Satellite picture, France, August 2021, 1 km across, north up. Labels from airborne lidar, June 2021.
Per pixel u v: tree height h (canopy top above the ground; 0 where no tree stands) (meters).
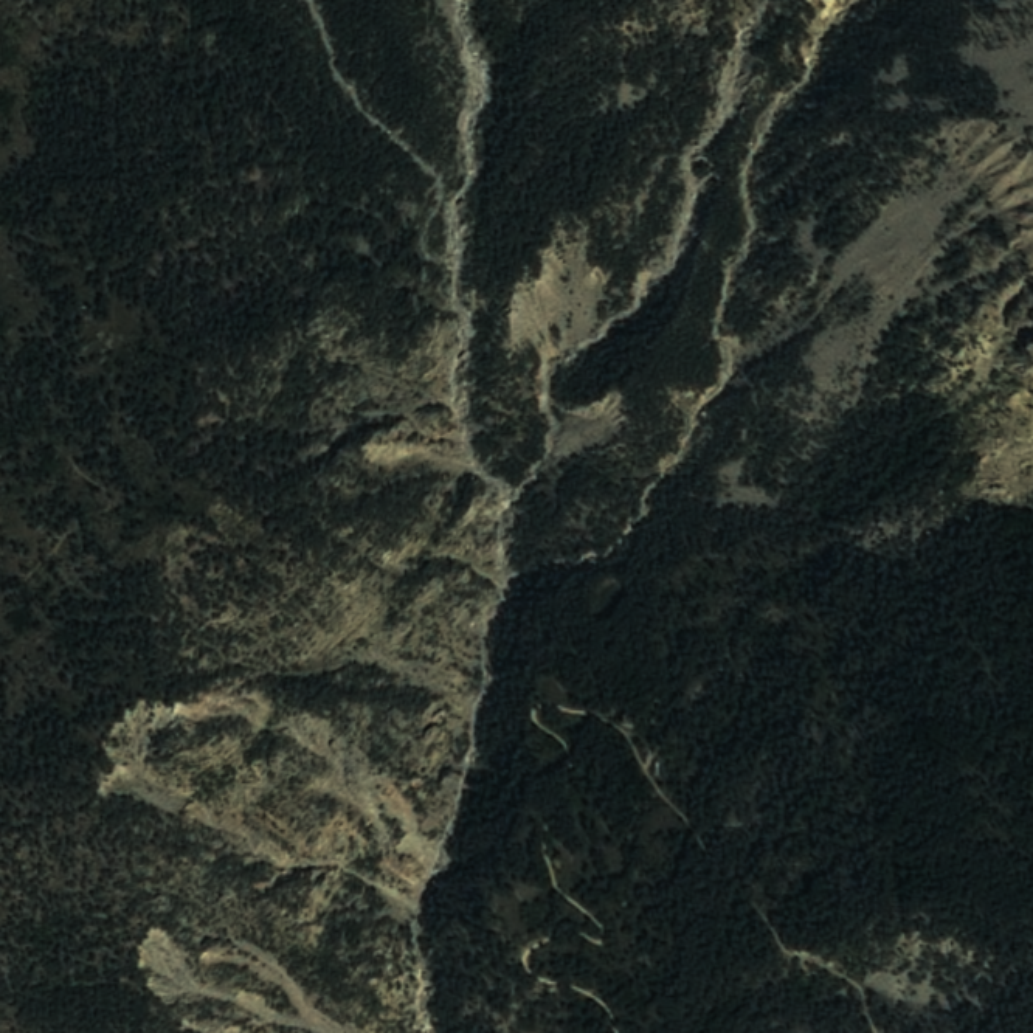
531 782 17
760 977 10
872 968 10
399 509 8
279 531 11
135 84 13
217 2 8
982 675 9
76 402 15
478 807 13
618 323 7
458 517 7
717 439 7
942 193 0
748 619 16
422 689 8
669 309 7
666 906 16
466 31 0
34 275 7
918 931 8
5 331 8
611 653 16
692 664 14
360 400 10
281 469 17
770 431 8
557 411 7
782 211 9
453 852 13
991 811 14
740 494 0
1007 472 0
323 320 7
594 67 13
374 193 14
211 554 14
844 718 7
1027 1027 12
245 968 8
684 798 6
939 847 13
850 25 6
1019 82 0
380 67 10
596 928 7
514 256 12
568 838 14
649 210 6
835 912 11
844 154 7
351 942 10
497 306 6
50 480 14
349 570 7
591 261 10
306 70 10
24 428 14
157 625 11
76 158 10
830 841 12
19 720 12
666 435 9
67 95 9
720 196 8
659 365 11
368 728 8
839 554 18
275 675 7
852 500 13
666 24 9
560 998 8
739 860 17
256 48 13
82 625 14
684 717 13
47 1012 12
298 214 7
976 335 7
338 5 8
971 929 11
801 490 10
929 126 6
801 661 15
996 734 12
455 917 9
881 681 12
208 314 16
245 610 9
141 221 13
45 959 7
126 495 11
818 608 18
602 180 11
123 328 0
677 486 8
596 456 8
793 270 8
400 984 8
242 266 18
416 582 9
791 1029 10
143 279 7
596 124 7
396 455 0
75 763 14
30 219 14
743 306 7
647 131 9
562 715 13
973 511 8
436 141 7
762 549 15
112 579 13
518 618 6
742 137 6
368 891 7
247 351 15
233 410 13
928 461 12
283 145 13
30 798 8
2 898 11
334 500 14
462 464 0
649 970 12
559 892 11
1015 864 6
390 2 8
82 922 11
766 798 14
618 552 8
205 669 7
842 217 10
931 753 14
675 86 7
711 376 9
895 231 0
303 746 9
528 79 10
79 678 12
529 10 8
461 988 11
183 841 9
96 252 10
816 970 8
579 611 16
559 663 8
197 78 7
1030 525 15
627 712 6
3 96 6
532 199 11
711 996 11
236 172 13
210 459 16
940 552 17
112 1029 9
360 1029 0
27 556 8
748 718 6
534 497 7
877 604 16
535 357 5
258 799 6
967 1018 16
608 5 11
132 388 12
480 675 10
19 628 6
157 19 13
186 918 8
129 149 10
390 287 7
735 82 0
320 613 6
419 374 7
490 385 6
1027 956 9
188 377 12
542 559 13
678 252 0
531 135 10
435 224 6
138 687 0
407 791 8
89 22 10
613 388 10
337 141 11
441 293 6
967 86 6
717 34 19
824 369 0
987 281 7
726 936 10
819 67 6
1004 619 9
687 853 13
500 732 9
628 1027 12
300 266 9
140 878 7
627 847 8
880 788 10
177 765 8
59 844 7
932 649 14
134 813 8
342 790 0
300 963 6
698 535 16
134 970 6
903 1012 12
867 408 8
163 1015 6
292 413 8
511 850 13
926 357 6
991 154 0
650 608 16
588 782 9
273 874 8
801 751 8
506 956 15
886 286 0
